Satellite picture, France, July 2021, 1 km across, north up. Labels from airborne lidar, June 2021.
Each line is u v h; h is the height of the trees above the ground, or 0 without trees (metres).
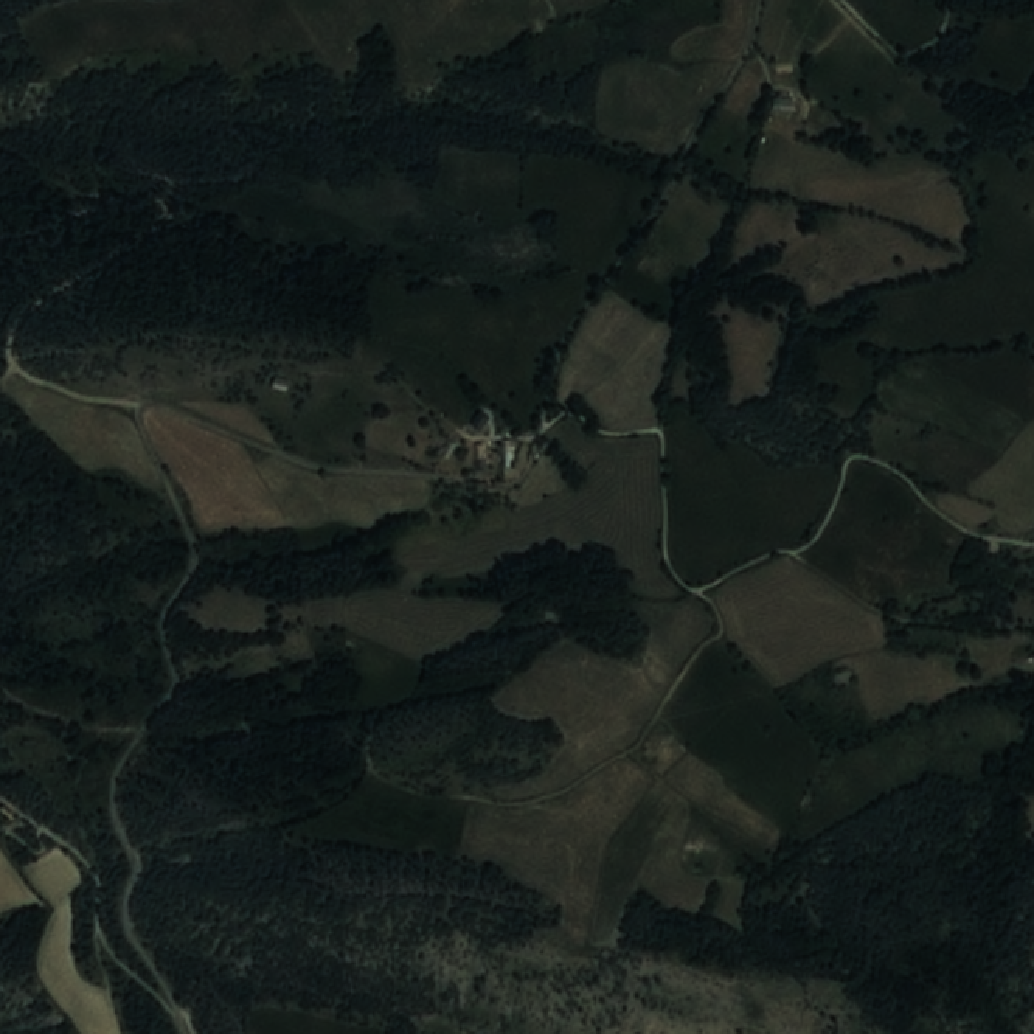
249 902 7
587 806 0
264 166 13
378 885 11
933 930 13
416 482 0
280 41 0
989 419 0
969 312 0
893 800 13
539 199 0
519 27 0
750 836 0
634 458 0
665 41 0
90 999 0
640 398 0
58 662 13
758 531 0
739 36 0
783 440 8
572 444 0
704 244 0
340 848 8
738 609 0
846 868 14
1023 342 15
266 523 0
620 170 9
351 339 11
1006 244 0
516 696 0
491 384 0
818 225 13
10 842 8
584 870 0
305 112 8
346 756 14
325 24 0
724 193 10
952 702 10
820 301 0
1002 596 9
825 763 11
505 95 8
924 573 0
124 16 0
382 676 0
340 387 0
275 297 17
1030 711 9
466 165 0
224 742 15
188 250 25
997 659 0
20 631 15
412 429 0
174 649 7
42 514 13
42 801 7
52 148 11
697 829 0
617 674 0
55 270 20
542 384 19
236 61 0
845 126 11
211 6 0
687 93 0
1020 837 15
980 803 14
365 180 13
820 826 0
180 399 0
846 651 0
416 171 15
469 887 12
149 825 7
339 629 9
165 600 7
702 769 0
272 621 9
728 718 0
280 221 0
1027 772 15
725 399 13
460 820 0
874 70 0
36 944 12
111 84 9
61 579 13
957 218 0
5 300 24
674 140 0
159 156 12
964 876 12
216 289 18
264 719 6
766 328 0
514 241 0
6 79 9
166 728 13
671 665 0
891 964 12
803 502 0
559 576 24
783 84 0
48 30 0
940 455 0
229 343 9
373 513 0
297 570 19
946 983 7
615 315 0
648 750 0
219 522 0
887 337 0
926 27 0
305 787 17
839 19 0
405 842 0
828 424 9
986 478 0
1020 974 10
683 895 0
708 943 11
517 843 0
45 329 11
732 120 0
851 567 0
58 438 0
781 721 0
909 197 0
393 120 15
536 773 8
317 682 12
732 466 0
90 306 11
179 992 7
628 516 0
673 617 0
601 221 0
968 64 15
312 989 10
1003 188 0
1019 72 0
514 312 0
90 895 11
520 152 10
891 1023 16
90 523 10
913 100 0
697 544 0
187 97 13
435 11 0
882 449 0
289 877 10
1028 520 0
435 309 0
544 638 10
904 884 12
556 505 0
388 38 7
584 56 0
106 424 0
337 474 0
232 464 0
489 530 0
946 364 0
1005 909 12
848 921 17
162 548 13
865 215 11
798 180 0
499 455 7
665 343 0
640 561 0
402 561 0
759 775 0
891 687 0
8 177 15
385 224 0
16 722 8
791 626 0
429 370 0
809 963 15
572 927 0
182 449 0
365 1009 8
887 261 0
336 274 16
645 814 0
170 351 6
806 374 12
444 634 0
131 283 16
